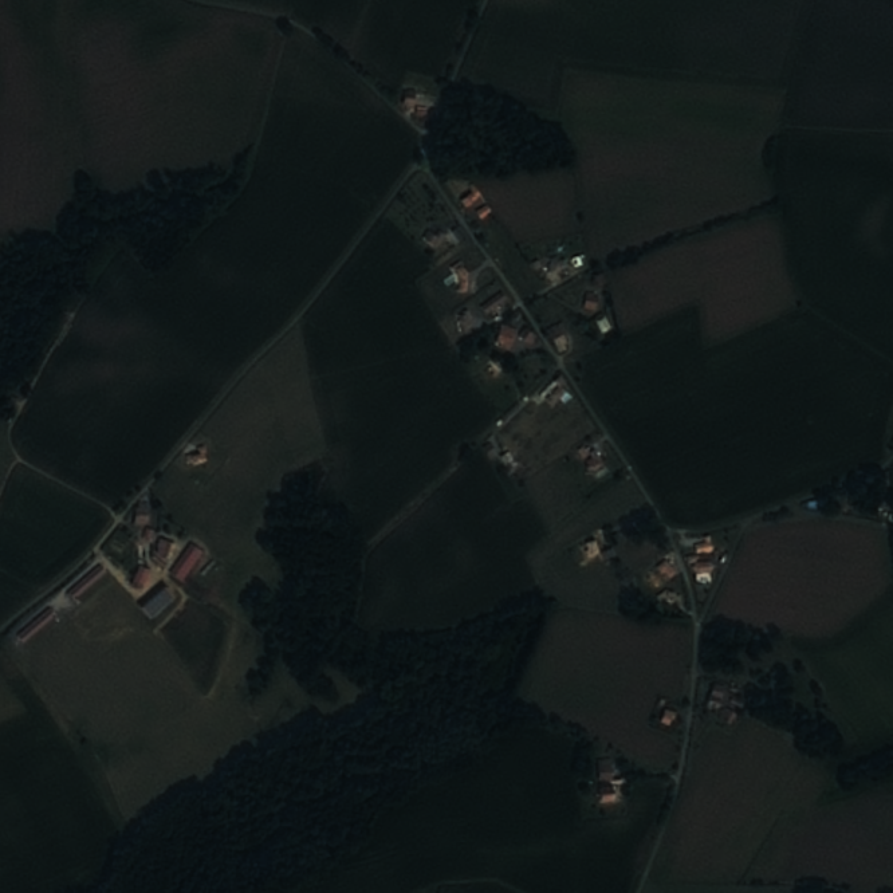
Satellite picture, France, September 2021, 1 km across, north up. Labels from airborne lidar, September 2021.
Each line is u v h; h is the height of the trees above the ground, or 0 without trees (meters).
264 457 0
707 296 0
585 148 0
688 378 0
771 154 9
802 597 0
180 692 0
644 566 0
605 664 0
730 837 0
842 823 0
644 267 0
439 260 0
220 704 0
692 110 0
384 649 17
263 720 0
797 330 0
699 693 0
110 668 0
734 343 0
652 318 0
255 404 0
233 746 0
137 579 0
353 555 16
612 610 0
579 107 0
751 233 0
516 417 0
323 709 0
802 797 0
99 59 0
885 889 0
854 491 20
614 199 0
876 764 19
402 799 17
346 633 14
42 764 0
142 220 23
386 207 0
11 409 9
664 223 0
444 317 0
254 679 15
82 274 18
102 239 27
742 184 0
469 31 11
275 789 15
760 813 0
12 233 0
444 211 7
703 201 0
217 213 12
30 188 0
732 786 0
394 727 27
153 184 21
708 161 0
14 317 8
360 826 17
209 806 22
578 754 13
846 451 0
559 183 0
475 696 21
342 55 14
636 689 0
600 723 0
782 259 0
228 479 0
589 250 0
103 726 0
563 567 0
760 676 7
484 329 8
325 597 22
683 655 0
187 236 16
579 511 0
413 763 20
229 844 22
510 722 21
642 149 0
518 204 0
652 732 0
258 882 25
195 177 17
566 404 0
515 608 21
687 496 0
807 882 8
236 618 0
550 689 0
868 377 0
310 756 13
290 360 0
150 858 18
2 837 0
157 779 0
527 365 0
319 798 14
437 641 11
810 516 0
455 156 22
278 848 17
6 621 0
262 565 0
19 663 0
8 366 27
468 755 22
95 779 0
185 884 16
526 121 23
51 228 0
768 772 0
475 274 0
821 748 20
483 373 0
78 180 14
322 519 27
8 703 0
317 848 23
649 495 0
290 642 26
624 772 11
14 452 0
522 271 0
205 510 0
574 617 0
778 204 8
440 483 0
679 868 0
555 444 0
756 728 0
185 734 0
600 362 0
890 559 0
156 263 23
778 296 0
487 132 23
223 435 0
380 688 24
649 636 0
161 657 0
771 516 6
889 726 0
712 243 0
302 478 6
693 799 0
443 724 22
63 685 0
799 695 0
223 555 0
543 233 0
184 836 17
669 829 0
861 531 0
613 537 6
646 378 0
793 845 0
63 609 0
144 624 0
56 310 16
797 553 0
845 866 0
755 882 6
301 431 0
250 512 0
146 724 0
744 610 0
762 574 0
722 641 18
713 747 0
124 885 15
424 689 21
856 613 0
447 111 17
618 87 0
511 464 0
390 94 11
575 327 12
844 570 0
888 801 0
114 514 7
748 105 0
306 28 0
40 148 0
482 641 25
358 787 25
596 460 0
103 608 0
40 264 23
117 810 0
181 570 0
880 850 0
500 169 14
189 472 0
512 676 9
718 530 0
